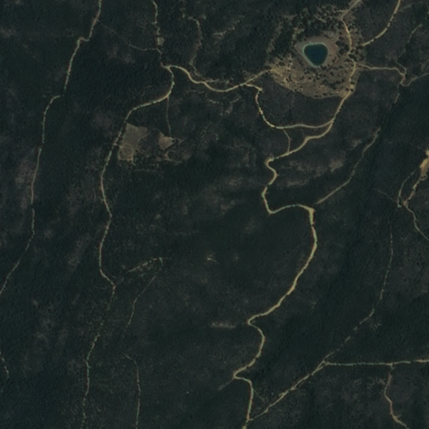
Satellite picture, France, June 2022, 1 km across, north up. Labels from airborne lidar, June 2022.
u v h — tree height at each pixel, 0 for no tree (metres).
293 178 0
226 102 8
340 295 7
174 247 6
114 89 6
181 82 6
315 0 8
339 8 7
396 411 0
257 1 6
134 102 6
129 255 8
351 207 6
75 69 7
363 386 6
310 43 0
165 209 7
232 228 6
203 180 10
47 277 6
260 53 7
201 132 6
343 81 6
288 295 7
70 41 7
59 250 7
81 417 7
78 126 5
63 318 8
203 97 6
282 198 7
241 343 6
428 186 7
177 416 7
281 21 6
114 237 6
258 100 7
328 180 6
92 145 8
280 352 5
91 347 8
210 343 6
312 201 5
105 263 6
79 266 8
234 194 7
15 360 7
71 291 9
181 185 8
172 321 8
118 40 7
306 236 7
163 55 9
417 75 10
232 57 6
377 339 6
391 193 6
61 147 6
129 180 6
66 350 6
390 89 6
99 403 6
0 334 6
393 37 6
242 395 6
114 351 8
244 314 8
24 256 6
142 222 7
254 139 8
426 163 0
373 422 6
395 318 6
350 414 8
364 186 6
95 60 8
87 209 6
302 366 9
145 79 11
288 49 9
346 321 6
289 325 9
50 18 6
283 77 0
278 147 0
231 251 8
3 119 5
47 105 8
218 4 8
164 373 8
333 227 8
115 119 5
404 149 6
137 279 7
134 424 5
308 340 6
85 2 6
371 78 6
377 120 6
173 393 7
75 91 6
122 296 7
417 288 7
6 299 8
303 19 11
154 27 6
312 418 6
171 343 6
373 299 5
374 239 8
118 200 7
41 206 9
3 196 7
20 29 7
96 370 6
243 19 7
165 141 0
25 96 6
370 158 7
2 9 6
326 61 0
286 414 7
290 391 7
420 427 7
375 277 7
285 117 8
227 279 6
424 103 7
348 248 8
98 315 7
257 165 8
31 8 6
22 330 8
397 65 7
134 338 10
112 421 5
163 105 6
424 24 7
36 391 7
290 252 9
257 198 5
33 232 6
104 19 7
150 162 6
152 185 7
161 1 8
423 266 8
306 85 0
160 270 7
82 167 7
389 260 5
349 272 11
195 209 6
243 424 7
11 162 6
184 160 6
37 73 7
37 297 7
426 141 7
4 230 6
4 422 7
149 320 6
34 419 6
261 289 7
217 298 6
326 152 0
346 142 8
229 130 8
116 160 9
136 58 5
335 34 0
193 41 11
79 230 8
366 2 6
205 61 7
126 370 7
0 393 10
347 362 6
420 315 7
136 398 10
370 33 0
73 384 6
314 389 6
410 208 8
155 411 6
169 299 7
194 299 6
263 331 7
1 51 8
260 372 9
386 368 6
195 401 7
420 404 7
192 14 7
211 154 10
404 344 10
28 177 0
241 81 7
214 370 6
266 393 8
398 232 8
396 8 0
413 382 7
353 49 7
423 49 6
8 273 6
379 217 7
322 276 7
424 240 8
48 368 9
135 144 0
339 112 6
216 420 6
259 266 8
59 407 7
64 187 9
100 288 6
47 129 5
